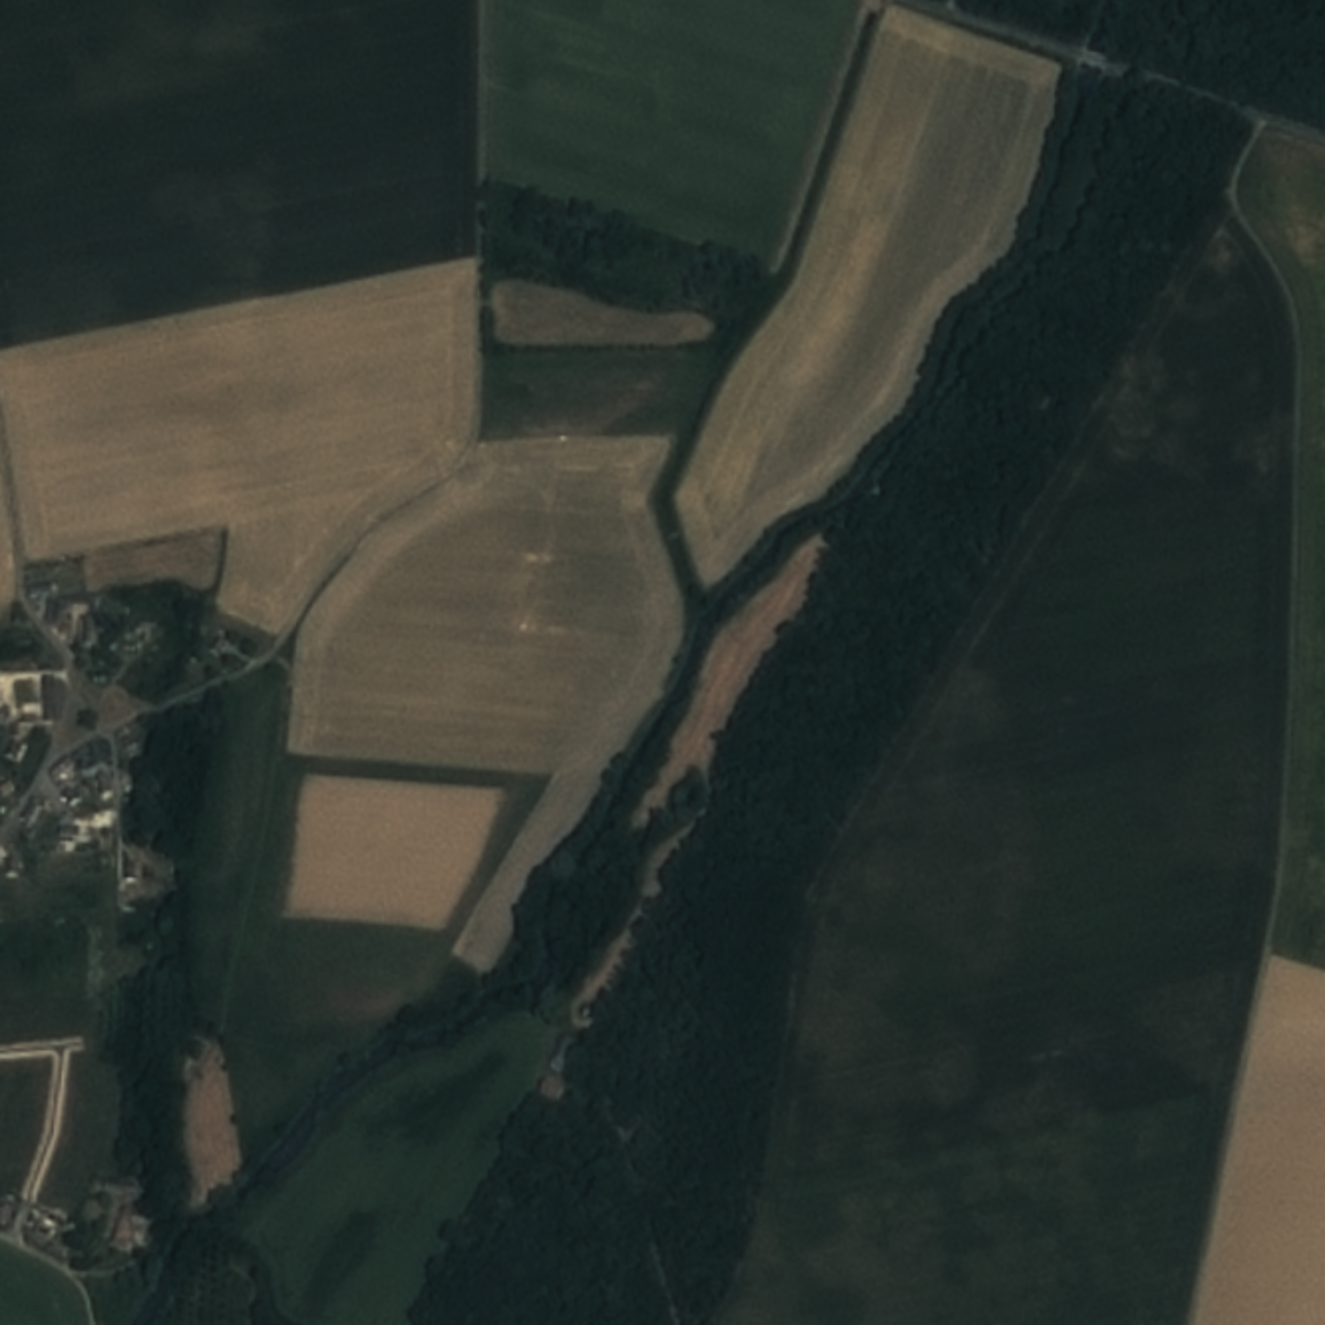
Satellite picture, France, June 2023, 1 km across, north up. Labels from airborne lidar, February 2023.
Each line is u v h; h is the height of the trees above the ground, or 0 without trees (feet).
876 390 0
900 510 64
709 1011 65
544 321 0
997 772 0
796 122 0
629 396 0
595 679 0
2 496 0
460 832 0
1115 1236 0
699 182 0
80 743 0
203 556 0
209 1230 63
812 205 0
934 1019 0
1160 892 0
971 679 0
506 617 0
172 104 0
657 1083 59
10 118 0
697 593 33
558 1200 50
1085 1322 0
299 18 0
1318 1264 0
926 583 59
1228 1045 0
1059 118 22
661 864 0
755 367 0
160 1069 74
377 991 0
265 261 0
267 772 0
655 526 0
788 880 73
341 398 0
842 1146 0
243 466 0
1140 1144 0
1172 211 76
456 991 0
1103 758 0
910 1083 0
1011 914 0
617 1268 57
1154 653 0
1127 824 0
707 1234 28
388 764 0
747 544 0
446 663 0
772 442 0
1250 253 0
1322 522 0
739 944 79
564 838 0
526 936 56
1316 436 0
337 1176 0
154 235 0
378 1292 0
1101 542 0
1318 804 0
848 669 48
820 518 42
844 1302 0
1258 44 65
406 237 0
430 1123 0
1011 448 73
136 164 0
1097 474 0
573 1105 46
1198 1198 0
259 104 0
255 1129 0
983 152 0
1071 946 0
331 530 0
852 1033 0
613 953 0
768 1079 28
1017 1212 0
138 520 0
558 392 0
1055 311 71
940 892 0
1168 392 0
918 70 0
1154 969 0
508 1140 49
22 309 0
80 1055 0
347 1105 0
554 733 0
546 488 0
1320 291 0
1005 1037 0
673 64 0
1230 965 0
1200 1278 0
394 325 0
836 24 0
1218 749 0
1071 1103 0
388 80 0
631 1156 54
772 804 68
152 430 0
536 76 0
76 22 0
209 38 0
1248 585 0
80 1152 0
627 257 22
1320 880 0
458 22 0
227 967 0
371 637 0
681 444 0
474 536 0
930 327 0
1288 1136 0
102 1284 0
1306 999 0
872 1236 0
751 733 51
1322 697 0
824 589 57
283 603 0
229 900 0
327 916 0
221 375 0
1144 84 58
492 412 0
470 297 0
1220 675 0
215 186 0
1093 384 59
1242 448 0
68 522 0
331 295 0
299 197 0
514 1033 0
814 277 0
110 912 0
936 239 0
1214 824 0
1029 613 0
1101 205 76
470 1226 33
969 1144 0
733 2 0
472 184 0
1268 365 0
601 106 0
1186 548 0
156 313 0
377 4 0
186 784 60
